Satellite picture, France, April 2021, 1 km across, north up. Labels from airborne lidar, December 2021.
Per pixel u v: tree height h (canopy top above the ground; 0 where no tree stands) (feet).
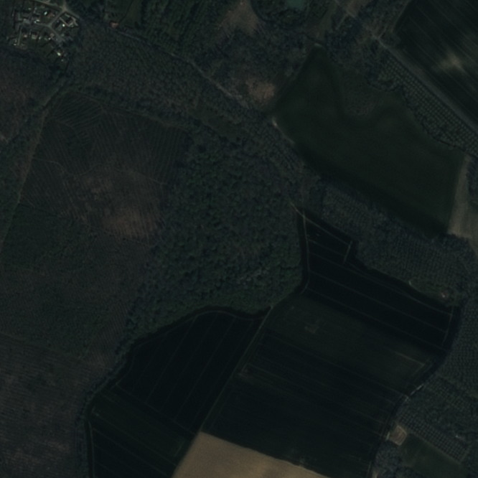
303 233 0
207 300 63
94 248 24
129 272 31
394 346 0
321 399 0
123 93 42
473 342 122
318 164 0
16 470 0
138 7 0
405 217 0
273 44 106
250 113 129
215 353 0
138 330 71
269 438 0
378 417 0
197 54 58
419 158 0
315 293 0
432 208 0
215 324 0
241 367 0
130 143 0
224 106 130
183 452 0
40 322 19
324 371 0
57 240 33
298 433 0
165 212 84
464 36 0
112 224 0
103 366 0
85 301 23
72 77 49
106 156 0
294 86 0
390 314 0
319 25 0
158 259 90
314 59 0
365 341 0
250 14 0
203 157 69
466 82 0
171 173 0
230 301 60
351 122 0
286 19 69
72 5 65
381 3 61
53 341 23
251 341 0
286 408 0
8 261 32
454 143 69
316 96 0
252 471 0
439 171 0
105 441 0
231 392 0
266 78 76
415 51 0
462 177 0
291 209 71
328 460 0
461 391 71
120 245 20
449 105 0
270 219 78
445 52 0
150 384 0
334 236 0
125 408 0
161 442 0
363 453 0
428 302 0
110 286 26
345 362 0
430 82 0
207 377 0
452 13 0
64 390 0
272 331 0
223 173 76
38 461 0
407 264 86
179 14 67
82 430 55
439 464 0
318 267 0
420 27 0
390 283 0
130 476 0
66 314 25
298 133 0
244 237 78
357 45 139
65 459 0
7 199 74
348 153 0
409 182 0
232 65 78
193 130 77
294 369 0
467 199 0
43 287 24
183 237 88
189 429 0
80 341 22
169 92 99
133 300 29
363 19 55
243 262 95
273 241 63
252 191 87
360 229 74
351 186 0
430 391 56
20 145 74
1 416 0
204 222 87
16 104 61
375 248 58
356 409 0
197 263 77
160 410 0
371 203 0
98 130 0
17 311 23
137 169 0
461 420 30
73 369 0
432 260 118
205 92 119
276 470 0
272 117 0
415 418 0
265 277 76
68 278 25
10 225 22
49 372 0
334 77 0
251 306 61
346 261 0
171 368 0
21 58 66
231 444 0
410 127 0
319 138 0
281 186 68
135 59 134
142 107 56
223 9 87
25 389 0
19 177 73
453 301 37
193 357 0
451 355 120
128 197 0
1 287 21
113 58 114
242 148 33
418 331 0
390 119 0
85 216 0
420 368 0
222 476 0
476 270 91
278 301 52
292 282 73
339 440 0
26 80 67
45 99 77
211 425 0
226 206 90
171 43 75
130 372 0
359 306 0
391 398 0
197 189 78
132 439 0
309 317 0
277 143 130
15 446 0
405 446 0
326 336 0
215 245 89
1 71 70
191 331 0
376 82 74
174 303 75
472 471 52
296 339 0
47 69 74
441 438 0
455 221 0
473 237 0
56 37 0
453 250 75
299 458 0
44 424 0
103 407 0
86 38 111
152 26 66
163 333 0
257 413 0
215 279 82
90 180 0
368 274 0
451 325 0
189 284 82
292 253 68
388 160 0
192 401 0
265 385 0
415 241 131
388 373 0
